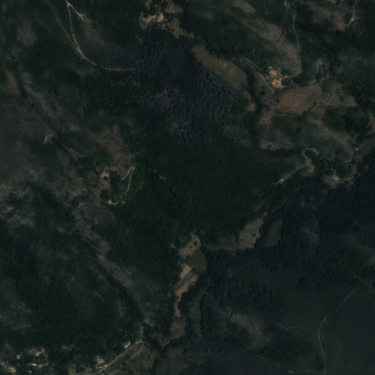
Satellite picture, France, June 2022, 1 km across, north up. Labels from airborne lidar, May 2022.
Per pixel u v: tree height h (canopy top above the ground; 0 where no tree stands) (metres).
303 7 18
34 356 10
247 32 0
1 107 0
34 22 0
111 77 7
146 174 9
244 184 17
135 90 11
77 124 0
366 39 15
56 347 19
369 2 13
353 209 10
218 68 0
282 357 7
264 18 0
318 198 6
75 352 10
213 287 14
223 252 15
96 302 10
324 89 11
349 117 12
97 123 0
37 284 18
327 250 14
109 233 11
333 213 9
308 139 0
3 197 0
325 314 0
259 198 9
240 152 15
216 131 16
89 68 0
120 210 15
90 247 12
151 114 7
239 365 0
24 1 0
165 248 21
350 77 0
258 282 10
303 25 14
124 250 12
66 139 8
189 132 22
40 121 0
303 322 0
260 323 0
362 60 0
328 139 0
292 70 0
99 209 0
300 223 11
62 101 0
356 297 0
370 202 17
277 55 0
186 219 15
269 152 13
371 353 0
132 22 7
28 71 0
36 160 0
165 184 13
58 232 11
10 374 6
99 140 0
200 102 24
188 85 11
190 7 14
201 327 8
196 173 19
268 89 0
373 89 14
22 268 18
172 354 0
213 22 0
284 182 6
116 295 7
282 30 0
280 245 14
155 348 6
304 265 16
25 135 0
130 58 14
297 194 11
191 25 25
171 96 18
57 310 23
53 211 7
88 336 19
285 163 10
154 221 16
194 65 15
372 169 15
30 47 0
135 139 6
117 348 13
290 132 0
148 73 18
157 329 15
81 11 0
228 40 17
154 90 10
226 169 18
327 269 9
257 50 9
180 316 7
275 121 0
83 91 10
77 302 6
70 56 0
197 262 0
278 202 13
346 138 0
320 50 13
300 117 0
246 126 6
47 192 12
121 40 8
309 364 0
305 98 0
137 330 7
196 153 15
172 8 0
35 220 6
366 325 0
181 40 19
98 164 11
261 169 13
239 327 0
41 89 0
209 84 17
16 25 0
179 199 18
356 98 5
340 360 0
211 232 19
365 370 0
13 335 11
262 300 9
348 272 10
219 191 20
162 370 0
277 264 13
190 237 11
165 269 15
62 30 0
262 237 12
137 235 7
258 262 8
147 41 10
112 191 6
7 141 0
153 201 13
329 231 9
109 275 9
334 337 0
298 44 0
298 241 14
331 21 0
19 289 14
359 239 6
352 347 0
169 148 14
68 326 17
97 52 0
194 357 0
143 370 6
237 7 0
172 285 10
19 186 0
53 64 0
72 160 9
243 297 12
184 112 19
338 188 14
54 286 10
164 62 15
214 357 0
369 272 10
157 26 12
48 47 0
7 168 0
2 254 7
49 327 17
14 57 9
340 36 14
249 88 15
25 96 10
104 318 10
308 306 0
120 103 12
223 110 21
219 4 0
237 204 19
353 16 0
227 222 14
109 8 7
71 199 8
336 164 7
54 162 0
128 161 8
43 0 0
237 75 0
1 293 0
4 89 0
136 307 9
